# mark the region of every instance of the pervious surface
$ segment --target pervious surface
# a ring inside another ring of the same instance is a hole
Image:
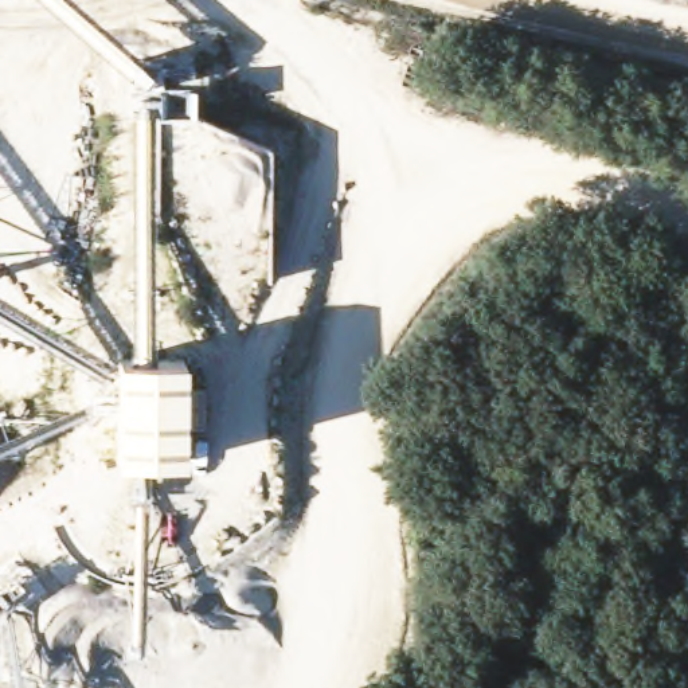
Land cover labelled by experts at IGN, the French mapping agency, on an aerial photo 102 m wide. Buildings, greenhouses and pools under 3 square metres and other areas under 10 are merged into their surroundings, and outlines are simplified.
[[[650,185],[642,164],[615,167],[591,156],[559,153],[543,140],[513,134],[508,124],[489,129],[470,124],[465,118],[441,118],[433,108],[425,105],[417,89],[403,89],[403,75],[414,65],[411,56],[384,54],[374,32],[366,27],[352,27],[339,19],[309,13],[304,3],[323,0],[0,0],[0,688],[376,688],[387,675],[387,658],[395,650],[414,648],[417,642],[417,613],[411,586],[417,581],[419,540],[414,538],[411,524],[400,516],[398,505],[390,505],[384,500],[387,481],[382,481],[374,473],[374,465],[384,462],[384,443],[379,433],[384,430],[384,419],[360,411],[366,363],[379,360],[382,352],[398,357],[398,344],[398,333],[417,312],[417,306],[425,301],[425,296],[433,290],[433,285],[449,271],[449,266],[457,263],[470,250],[470,245],[481,239],[486,231],[508,226],[513,218],[543,218],[551,212],[556,202],[564,202],[567,207],[610,204],[613,199],[629,202],[637,212],[656,215],[664,223],[658,239],[664,247],[664,258],[658,266],[669,274],[677,274],[683,282],[688,277],[688,204],[677,196],[675,188]],[[167,118],[167,97],[180,97],[185,102],[185,118]],[[121,411],[121,376],[156,371],[191,374],[191,452],[194,457],[207,457],[207,470],[196,481],[129,478],[116,465],[116,452],[108,452],[110,419]]]
[[[610,91],[610,86],[621,78],[624,65],[632,65],[632,56],[650,56],[688,67],[688,0],[395,0],[427,8],[433,13],[449,13],[457,19],[497,16],[508,30],[516,30],[513,38],[519,46],[540,51],[543,67],[538,78],[554,83],[556,70],[570,67],[572,81],[583,86],[589,94],[602,89]]]

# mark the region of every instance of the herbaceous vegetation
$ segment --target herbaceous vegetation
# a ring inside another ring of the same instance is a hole
[[[374,32],[384,54],[411,56],[414,65],[425,70],[427,65],[438,62],[441,38],[449,35],[449,24],[457,19],[449,13],[433,13],[427,8],[395,0],[323,0],[304,3],[309,13],[339,19],[352,27],[366,27]]]
[[[454,314],[454,306],[468,293],[468,288],[460,288],[460,277],[478,277],[489,266],[489,255],[497,253],[500,242],[505,242],[511,234],[508,226],[486,231],[481,239],[470,245],[470,250],[457,263],[449,266],[449,271],[433,285],[433,290],[425,296],[425,301],[417,306],[417,312],[398,333],[398,344],[406,344],[411,336],[427,341],[443,336],[443,320]]]

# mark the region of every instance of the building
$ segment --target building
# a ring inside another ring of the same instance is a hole
[[[167,118],[185,118],[185,102],[180,97],[167,97]]]
[[[116,465],[129,478],[196,481],[207,470],[207,457],[194,457],[191,452],[191,374],[156,371],[121,376],[121,411],[110,419],[108,452],[116,452]]]

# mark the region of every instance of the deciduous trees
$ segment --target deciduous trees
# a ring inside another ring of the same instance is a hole
[[[417,581],[411,586],[417,613],[417,642],[414,648],[395,650],[387,658],[387,675],[376,688],[688,688],[688,277],[683,282],[677,274],[669,274],[658,266],[664,258],[664,247],[658,239],[664,223],[656,215],[637,212],[629,202],[613,199],[610,204],[567,207],[564,202],[556,202],[551,212],[543,218],[513,218],[508,226],[511,234],[505,242],[500,242],[497,253],[489,255],[489,266],[478,277],[460,277],[460,288],[468,288],[468,293],[454,306],[454,314],[443,320],[443,336],[427,341],[411,336],[406,344],[398,344],[398,357],[382,352],[379,360],[366,363],[360,411],[384,419],[384,430],[379,433],[384,443],[384,462],[374,465],[374,473],[382,481],[387,481],[384,500],[390,505],[398,505],[400,516],[411,524],[414,538],[419,540]]]
[[[677,196],[688,204],[688,67],[650,56],[632,56],[632,65],[624,65],[621,78],[610,86],[610,91],[602,89],[589,94],[583,86],[572,81],[570,67],[556,70],[554,83],[538,78],[543,67],[540,51],[519,46],[513,38],[516,30],[508,30],[497,16],[457,19],[449,24],[449,35],[441,38],[438,62],[427,65],[425,70],[414,65],[403,75],[403,89],[417,89],[425,105],[433,108],[441,118],[465,118],[470,124],[489,129],[508,124],[513,134],[543,140],[559,153],[591,156],[615,167],[642,164],[650,185],[675,188]]]

